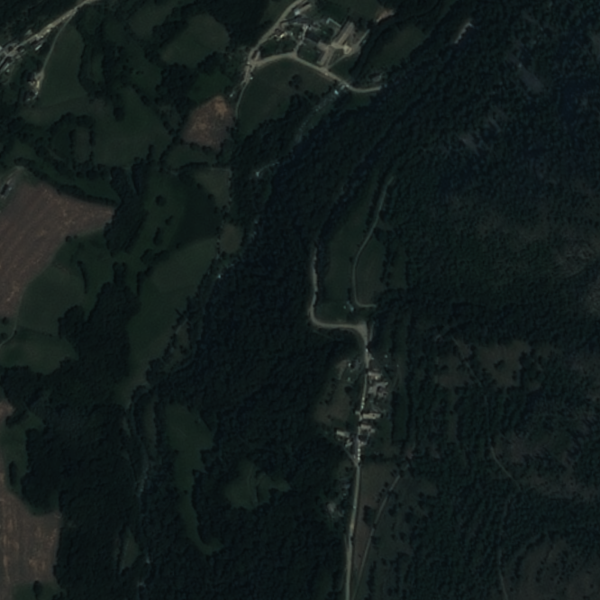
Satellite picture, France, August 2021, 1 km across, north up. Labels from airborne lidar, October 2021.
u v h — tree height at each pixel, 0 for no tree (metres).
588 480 10
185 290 0
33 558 0
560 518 8
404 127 23
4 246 0
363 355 0
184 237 0
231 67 6
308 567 20
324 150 34
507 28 11
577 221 8
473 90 14
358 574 0
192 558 22
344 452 8
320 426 7
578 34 11
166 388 21
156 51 12
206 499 15
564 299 9
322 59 0
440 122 21
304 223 31
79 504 20
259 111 0
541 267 7
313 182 30
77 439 22
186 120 16
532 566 0
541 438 0
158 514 26
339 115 20
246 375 12
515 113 8
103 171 13
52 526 0
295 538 20
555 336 6
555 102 6
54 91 0
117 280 16
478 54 12
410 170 9
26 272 0
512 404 19
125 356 19
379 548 10
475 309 31
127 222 18
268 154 21
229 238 0
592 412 27
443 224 8
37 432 19
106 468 21
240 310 33
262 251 15
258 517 20
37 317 0
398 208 8
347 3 0
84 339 19
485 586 8
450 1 0
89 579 28
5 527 0
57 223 0
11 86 7
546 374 7
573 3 8
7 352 0
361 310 5
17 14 18
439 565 8
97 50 7
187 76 19
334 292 0
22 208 0
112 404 6
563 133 6
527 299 22
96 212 0
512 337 8
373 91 0
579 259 6
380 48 11
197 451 0
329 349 15
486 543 10
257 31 15
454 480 13
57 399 7
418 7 12
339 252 0
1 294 0
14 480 15
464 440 18
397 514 12
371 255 0
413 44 0
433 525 11
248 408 9
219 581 21
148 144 0
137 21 0
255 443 25
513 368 0
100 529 17
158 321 0
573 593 0
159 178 0
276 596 30
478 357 9
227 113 0
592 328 15
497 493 9
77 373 9
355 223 0
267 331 19
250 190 12
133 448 11
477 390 13
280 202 20
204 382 26
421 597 8
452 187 13
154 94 0
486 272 7
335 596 11
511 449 27
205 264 0
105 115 0
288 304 21
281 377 23
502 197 8
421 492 0
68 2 16
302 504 20
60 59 0
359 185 21
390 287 10
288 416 28
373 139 24
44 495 24
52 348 0
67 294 0
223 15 26
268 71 0
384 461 10
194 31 0
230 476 13
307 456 32
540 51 12
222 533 21
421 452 13
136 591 17
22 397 27
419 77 25
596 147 8
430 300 23
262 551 28
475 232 7
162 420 9
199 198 0
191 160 0
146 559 10
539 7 13
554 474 13
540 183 10
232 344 12
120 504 19
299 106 12
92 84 16
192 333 18
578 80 6
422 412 16
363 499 0
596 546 8
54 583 0
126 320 19
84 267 21
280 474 22
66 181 0
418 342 14
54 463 32
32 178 0
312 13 0
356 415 0
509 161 7
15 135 14
